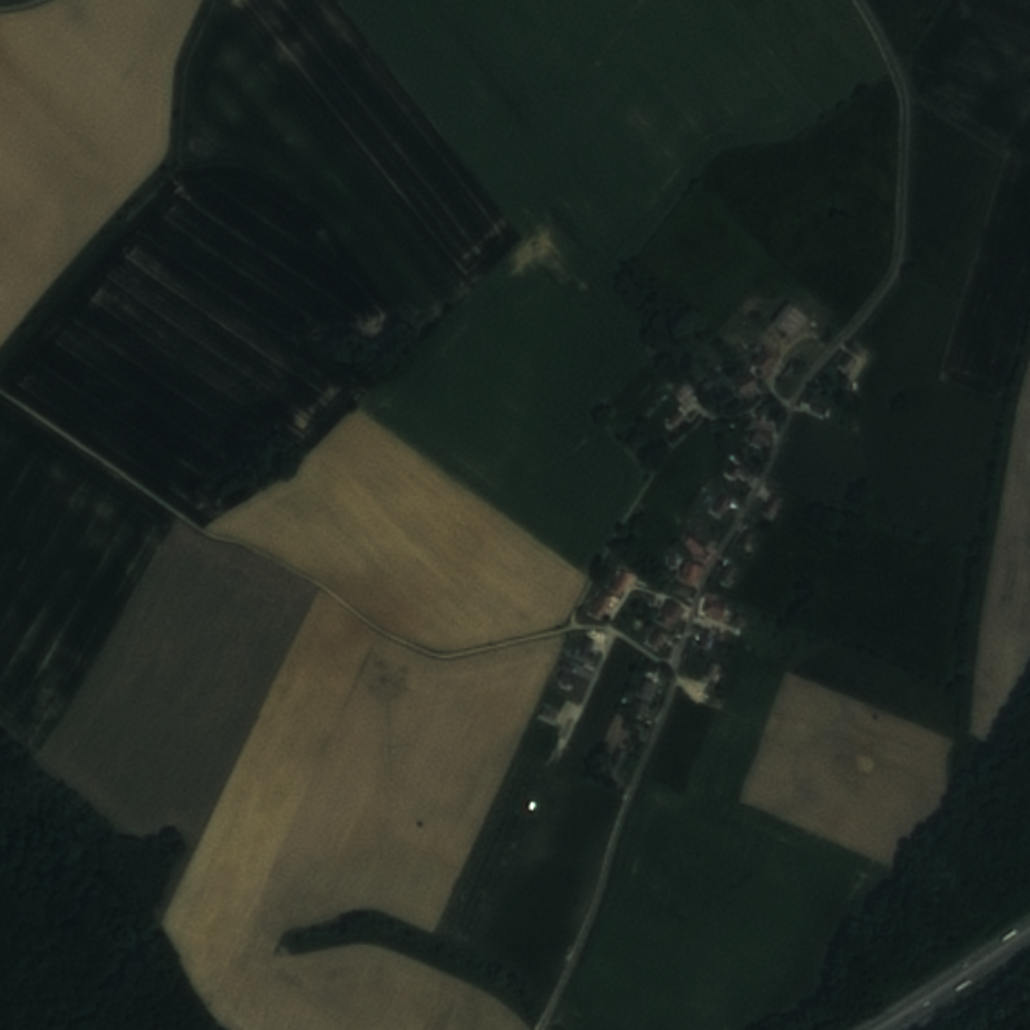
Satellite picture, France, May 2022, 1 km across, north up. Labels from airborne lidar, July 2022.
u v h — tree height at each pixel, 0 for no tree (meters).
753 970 0
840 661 0
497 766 0
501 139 0
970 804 22
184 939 0
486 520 0
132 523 0
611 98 0
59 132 0
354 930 15
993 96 0
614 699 0
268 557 0
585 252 0
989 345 0
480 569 0
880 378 0
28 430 0
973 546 10
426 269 0
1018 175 0
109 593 0
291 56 0
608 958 0
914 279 13
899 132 0
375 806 0
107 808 0
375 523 0
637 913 0
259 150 0
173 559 0
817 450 0
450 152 0
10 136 0
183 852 16
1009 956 0
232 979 0
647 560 7
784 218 0
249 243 0
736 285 0
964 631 11
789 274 0
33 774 19
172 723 0
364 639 0
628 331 0
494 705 0
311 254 0
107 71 0
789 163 0
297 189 0
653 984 0
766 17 0
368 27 0
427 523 0
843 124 0
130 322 0
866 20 0
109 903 25
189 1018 23
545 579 0
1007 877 23
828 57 0
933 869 32
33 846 21
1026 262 0
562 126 0
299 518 0
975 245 0
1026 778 25
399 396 0
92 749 0
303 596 0
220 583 0
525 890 0
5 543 0
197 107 0
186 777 0
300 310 0
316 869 0
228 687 0
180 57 0
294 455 11
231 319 0
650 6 0
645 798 0
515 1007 0
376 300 0
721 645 8
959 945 19
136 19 0
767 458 6
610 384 0
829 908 0
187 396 0
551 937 0
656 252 0
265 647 0
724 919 0
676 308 7
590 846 0
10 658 0
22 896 26
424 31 0
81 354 0
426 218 0
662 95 0
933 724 0
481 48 0
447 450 0
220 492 7
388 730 0
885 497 0
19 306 0
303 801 0
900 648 0
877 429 0
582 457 0
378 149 0
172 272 0
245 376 0
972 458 0
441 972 0
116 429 0
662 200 0
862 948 25
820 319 0
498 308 0
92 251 0
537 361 0
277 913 0
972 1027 26
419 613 0
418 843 0
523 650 0
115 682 0
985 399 0
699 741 0
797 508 0
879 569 0
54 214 0
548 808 0
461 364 0
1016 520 0
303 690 0
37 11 0
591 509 0
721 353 12
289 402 0
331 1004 0
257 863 0
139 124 0
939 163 0
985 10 0
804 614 17
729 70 0
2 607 0
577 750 0
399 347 26
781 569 0
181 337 0
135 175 0
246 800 0
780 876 0
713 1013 0
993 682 0
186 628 0
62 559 0
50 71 0
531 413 0
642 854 0
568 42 0
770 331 0
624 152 0
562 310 0
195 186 0
